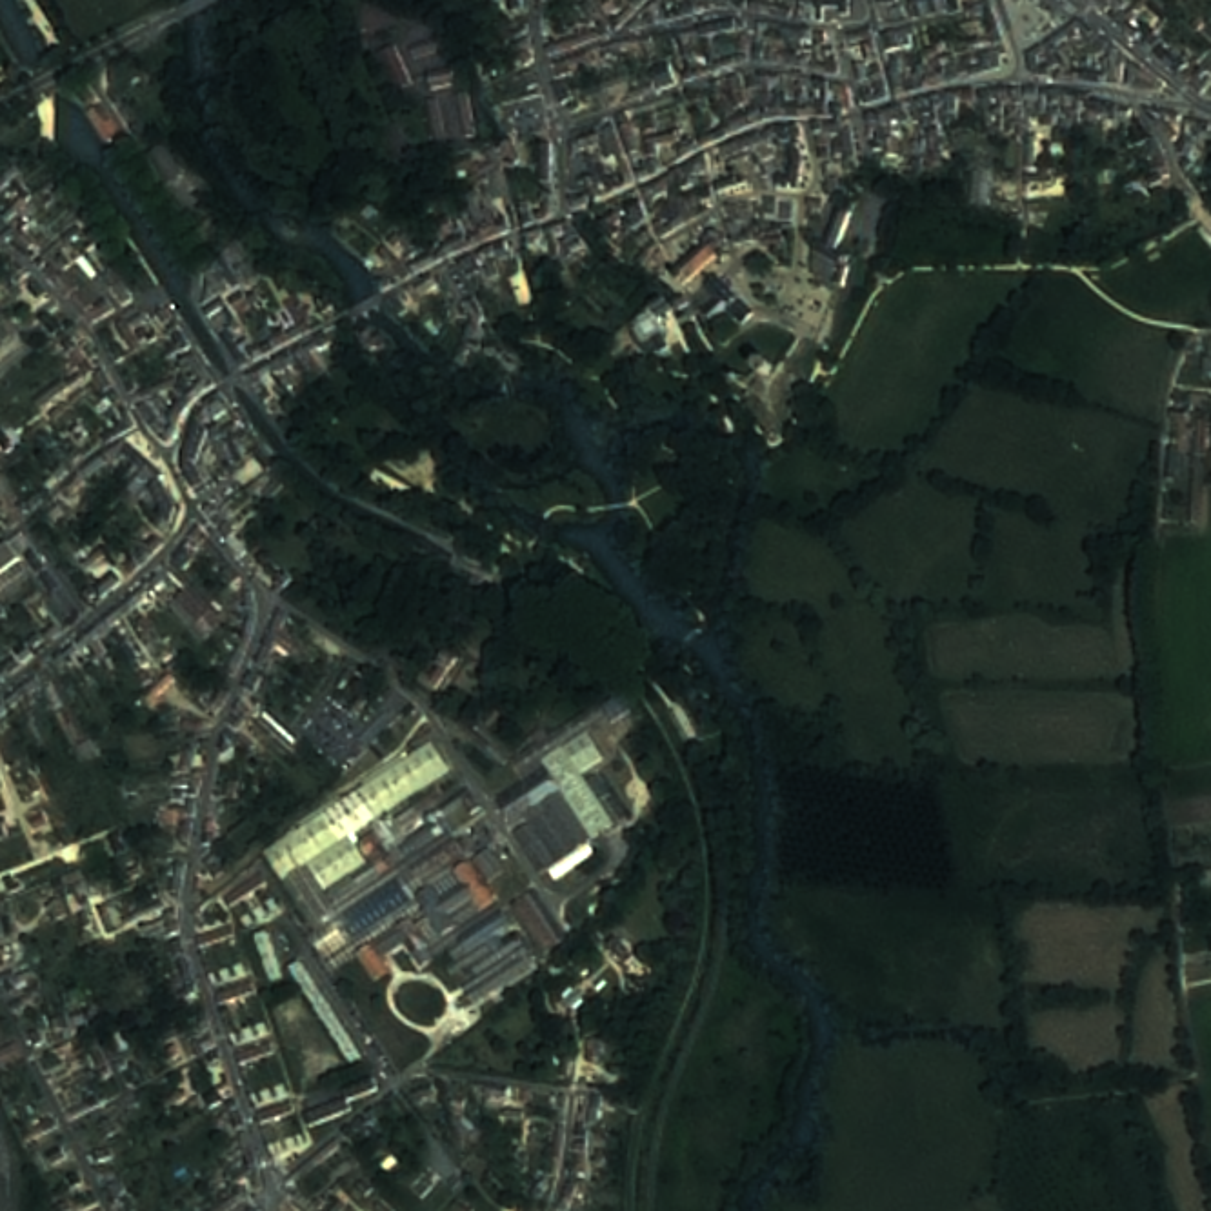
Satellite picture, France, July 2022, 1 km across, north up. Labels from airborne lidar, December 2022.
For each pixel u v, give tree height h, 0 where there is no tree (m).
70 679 7
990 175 0
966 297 0
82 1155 0
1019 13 0
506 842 0
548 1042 10
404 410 16
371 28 0
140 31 0
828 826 22
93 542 12
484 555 15
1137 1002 12
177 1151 19
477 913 0
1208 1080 0
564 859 0
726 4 0
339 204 17
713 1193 0
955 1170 0
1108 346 0
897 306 0
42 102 0
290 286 9
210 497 0
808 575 0
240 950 0
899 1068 0
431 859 0
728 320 14
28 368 7
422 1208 0
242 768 7
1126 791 0
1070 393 20
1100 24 0
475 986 0
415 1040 0
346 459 19
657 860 8
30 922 0
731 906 20
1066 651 0
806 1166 13
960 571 0
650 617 0
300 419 21
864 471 10
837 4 0
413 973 0
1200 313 0
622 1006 10
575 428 0
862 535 0
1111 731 0
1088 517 0
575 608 44
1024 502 15
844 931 0
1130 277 0
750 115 0
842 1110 0
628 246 13
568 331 15
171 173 0
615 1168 7
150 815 0
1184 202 13
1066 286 0
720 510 24
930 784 16
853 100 0
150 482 0
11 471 6
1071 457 0
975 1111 0
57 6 8
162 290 0
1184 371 0
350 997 13
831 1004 14
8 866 0
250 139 22
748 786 21
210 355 0
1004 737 0
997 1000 0
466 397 18
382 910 0
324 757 10
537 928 0
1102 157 10
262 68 16
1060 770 0
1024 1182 0
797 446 18
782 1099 10
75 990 13
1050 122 0
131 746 0
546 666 18
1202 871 13
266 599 0
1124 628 0
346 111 30
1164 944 10
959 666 0
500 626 19
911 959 0
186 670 9
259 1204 0
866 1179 0
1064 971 0
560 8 7
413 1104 8
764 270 21
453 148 13
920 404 0
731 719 16
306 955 0
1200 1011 0
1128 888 11
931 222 0
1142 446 0
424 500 23
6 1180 0
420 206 10
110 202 13
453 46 19
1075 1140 0
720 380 22
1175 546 0
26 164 9
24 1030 0
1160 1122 0
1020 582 0
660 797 14
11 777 0
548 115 0
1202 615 0
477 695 6
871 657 0
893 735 0
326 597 17
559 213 0
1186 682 0
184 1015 11
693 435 20
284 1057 0
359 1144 7
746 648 11
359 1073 14
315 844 0
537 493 10
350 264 0
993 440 0
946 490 15
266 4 17
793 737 23
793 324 0
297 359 0
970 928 0
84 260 0
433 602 17
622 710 0
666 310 0
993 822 0
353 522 20
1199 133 0
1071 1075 12
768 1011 0
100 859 0
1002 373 23
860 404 0
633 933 0
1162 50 0
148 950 9
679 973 24
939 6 0
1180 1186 0
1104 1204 0
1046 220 0
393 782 0
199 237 18
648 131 0
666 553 24
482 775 0
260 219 11
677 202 0
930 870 17
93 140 0
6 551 0
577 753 0
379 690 18
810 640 15
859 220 0
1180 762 0
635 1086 14
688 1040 0
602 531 0
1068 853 0
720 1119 0
